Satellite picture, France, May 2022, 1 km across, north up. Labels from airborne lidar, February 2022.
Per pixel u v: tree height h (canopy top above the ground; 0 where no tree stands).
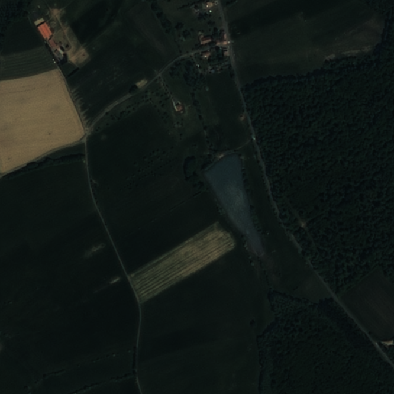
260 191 0
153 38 0
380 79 26
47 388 0
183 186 0
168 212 0
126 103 0
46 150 0
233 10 0
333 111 32
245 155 0
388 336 0
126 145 0
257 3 0
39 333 0
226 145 0
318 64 0
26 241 0
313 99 28
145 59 0
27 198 0
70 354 0
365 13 0
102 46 0
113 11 0
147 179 0
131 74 0
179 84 0
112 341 0
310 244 25
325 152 31
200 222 0
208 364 0
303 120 28
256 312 0
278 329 23
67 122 0
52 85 0
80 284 0
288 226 26
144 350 0
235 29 0
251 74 0
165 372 0
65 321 0
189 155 0
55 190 0
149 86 0
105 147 0
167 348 0
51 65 0
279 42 0
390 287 0
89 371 0
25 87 0
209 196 0
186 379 0
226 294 0
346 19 0
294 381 13
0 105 0
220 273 0
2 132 0
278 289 0
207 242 0
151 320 0
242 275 0
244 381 0
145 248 0
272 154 16
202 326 0
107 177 0
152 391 0
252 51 0
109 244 0
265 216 0
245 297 0
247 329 0
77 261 0
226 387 0
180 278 0
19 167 0
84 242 0
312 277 0
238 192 0
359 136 31
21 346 0
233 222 0
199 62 0
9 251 0
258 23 0
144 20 0
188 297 0
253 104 23
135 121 0
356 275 28
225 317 0
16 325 0
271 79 10
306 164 29
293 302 25
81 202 0
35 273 0
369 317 0
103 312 0
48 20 0
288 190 13
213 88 0
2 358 0
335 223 10
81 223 0
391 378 18
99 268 0
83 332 0
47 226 0
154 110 0
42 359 0
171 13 0
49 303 0
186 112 0
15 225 0
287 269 0
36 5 0
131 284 0
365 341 16
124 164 0
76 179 0
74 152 0
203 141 0
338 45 0
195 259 0
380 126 27
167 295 0
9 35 0
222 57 7
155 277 0
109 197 0
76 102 0
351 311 0
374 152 24
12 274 0
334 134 28
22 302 0
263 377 17
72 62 0
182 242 0
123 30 0
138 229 0
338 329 17
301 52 0
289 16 0
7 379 0
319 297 0
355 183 30
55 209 0
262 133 22
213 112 0
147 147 0
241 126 0
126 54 0
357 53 0
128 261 0
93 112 0
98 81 0
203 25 0
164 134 0
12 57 0
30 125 0
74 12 0
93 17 0
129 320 0
